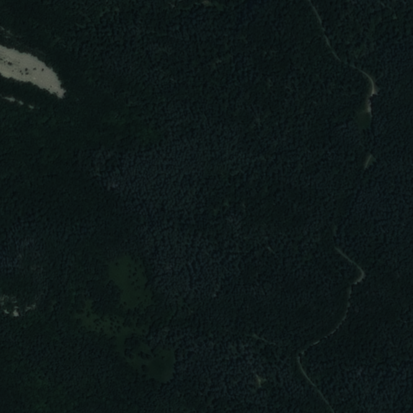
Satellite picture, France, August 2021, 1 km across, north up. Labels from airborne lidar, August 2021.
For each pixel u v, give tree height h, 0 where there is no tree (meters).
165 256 36
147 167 25
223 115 17
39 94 12
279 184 14
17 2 13
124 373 21
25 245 18
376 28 11
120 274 0
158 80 19
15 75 0
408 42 24
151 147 14
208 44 23
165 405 9
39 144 16
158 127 15
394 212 28
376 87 0
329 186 23
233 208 10
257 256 34
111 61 8
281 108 14
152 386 18
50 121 22
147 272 14
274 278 25
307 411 13
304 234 23
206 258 32
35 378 25
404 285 19
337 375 23
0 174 23
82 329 12
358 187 16
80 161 20
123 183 34
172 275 34
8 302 7
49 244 18
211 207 23
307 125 22
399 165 27
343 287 16
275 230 11
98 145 20
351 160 27
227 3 19
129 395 13
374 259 21
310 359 13
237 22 16
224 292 16
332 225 24
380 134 25
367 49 13
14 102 6
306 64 18
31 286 14
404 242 25
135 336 11
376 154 22
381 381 24
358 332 17
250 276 17
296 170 26
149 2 24
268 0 18
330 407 15
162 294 12
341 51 16
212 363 25
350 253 26
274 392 8
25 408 23
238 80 5
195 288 28
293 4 15
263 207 23
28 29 13
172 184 33
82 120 11
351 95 8
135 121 18
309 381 14
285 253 27
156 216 29
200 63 10
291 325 26
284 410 30
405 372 29
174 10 14
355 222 25
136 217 21
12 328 20
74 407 18
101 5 17
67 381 25
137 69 18
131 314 13
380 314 15
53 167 24
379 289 23
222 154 26
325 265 16
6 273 18
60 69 10
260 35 18
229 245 6
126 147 18
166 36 10
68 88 11
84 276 21
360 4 28
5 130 13
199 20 32
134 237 18
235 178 9
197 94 18
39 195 25
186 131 19
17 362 18
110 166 23
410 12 15
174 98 25
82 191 24
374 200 27
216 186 21
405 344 19
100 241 21
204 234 15
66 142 17
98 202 21
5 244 20
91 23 15
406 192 27
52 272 25
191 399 18
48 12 16
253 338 14
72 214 22
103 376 24
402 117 21
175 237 32
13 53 0
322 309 13
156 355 10
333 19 22
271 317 25
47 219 15
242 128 25
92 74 8
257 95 13
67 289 26
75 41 20
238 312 15
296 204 28
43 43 14
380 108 26
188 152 30
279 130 11
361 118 0
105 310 19
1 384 19
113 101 11
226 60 9
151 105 25
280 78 26
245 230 17
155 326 11
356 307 24
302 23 16
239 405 9
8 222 26
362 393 29
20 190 24
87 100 11
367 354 16
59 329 14
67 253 24
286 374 31
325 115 19
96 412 22
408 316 18
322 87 11
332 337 13
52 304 16
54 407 21
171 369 0
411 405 18
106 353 19
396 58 26
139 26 30
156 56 26
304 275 25
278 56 10
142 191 34
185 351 17
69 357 14
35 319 17
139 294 0
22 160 16
